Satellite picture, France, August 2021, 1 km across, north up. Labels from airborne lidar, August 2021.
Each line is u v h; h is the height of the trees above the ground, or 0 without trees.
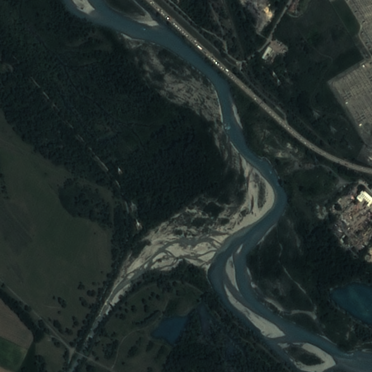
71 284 0
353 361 0
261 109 0
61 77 17
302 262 5
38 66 11
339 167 10
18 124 13
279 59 5
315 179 0
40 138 16
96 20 0
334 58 0
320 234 27
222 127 0
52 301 0
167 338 0
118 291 0
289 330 0
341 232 0
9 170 0
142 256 0
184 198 11
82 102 9
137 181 19
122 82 10
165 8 0
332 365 0
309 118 11
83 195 15
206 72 0
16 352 0
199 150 10
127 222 15
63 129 13
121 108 7
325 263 7
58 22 9
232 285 0
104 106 10
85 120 10
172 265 0
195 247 0
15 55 18
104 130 8
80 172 12
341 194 7
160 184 26
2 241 0
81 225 0
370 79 0
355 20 0
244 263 0
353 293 0
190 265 8
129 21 0
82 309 0
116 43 5
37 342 11
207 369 18
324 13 0
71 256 0
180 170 32
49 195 0
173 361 19
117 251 14
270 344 0
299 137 0
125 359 0
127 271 0
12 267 0
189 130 17
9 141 0
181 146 29
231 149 0
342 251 9
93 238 0
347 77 0
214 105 0
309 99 6
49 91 14
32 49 7
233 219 0
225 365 19
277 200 0
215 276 0
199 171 17
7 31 17
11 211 0
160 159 25
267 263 6
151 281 8
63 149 9
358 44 0
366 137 0
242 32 8
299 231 7
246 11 14
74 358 7
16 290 0
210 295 9
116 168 10
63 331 10
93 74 21
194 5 13
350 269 25
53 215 0
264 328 0
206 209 6
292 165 0
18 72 23
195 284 11
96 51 9
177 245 0
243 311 0
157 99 11
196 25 14
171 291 22
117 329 0
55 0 6
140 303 0
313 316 0
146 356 0
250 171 0
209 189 16
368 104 0
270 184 0
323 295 20
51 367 0
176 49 0
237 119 0
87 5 0
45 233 0
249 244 0
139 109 19
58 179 0
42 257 0
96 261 0
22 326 0
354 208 0
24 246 0
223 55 10
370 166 6
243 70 8
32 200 0
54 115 12
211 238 0
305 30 0
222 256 0
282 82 8
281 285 0
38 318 0
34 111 11
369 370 0
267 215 0
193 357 11
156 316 14
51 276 0
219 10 10
